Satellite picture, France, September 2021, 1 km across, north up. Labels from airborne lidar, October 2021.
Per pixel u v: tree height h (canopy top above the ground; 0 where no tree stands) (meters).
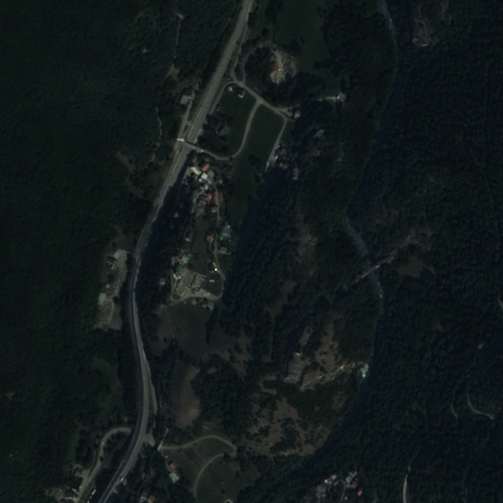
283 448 13
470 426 24
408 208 9
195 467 0
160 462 15
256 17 14
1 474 15
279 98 15
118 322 0
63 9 16
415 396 8
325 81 0
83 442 8
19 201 18
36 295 19
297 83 7
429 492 8
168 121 15
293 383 10
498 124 24
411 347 18
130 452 0
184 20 6
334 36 25
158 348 0
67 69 16
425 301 23
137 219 18
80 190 17
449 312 26
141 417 0
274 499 9
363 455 14
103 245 17
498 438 21
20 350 18
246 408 14
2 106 19
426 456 20
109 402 0
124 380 13
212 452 0
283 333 16
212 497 0
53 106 16
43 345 18
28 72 15
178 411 0
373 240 23
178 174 0
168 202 16
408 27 21
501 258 17
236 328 11
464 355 30
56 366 22
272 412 8
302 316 15
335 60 23
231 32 11
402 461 13
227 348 0
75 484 6
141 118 11
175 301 0
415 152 20
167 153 6
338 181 18
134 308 0
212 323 10
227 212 8
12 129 20
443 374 15
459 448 18
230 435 7
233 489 0
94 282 15
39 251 23
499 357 31
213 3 16
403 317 16
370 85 25
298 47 20
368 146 26
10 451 17
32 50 14
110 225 10
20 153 19
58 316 23
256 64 15
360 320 16
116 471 7
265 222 24
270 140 0
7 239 23
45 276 21
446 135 29
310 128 10
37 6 15
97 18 17
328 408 9
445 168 21
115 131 15
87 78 14
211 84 0
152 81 15
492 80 19
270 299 10
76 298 25
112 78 15
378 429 11
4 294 20
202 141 15
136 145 14
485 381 14
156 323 13
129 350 14
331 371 7
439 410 18
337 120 16
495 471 31
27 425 16
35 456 17
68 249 20
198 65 17
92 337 19
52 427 23
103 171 22
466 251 16
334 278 29
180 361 9
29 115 17
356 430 19
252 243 22
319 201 24
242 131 0
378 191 18
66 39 15
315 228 18
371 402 21
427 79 33
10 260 22
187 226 8
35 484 17
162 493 16
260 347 18
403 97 26
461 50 22
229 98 0
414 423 9
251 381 12
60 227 18
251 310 14
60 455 15
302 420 8
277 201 21
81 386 25
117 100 17
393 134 17
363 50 20
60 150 20
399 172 14
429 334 14
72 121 13
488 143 19
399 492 8
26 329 23
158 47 15
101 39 17
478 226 14
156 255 22
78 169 23
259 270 15
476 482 18
